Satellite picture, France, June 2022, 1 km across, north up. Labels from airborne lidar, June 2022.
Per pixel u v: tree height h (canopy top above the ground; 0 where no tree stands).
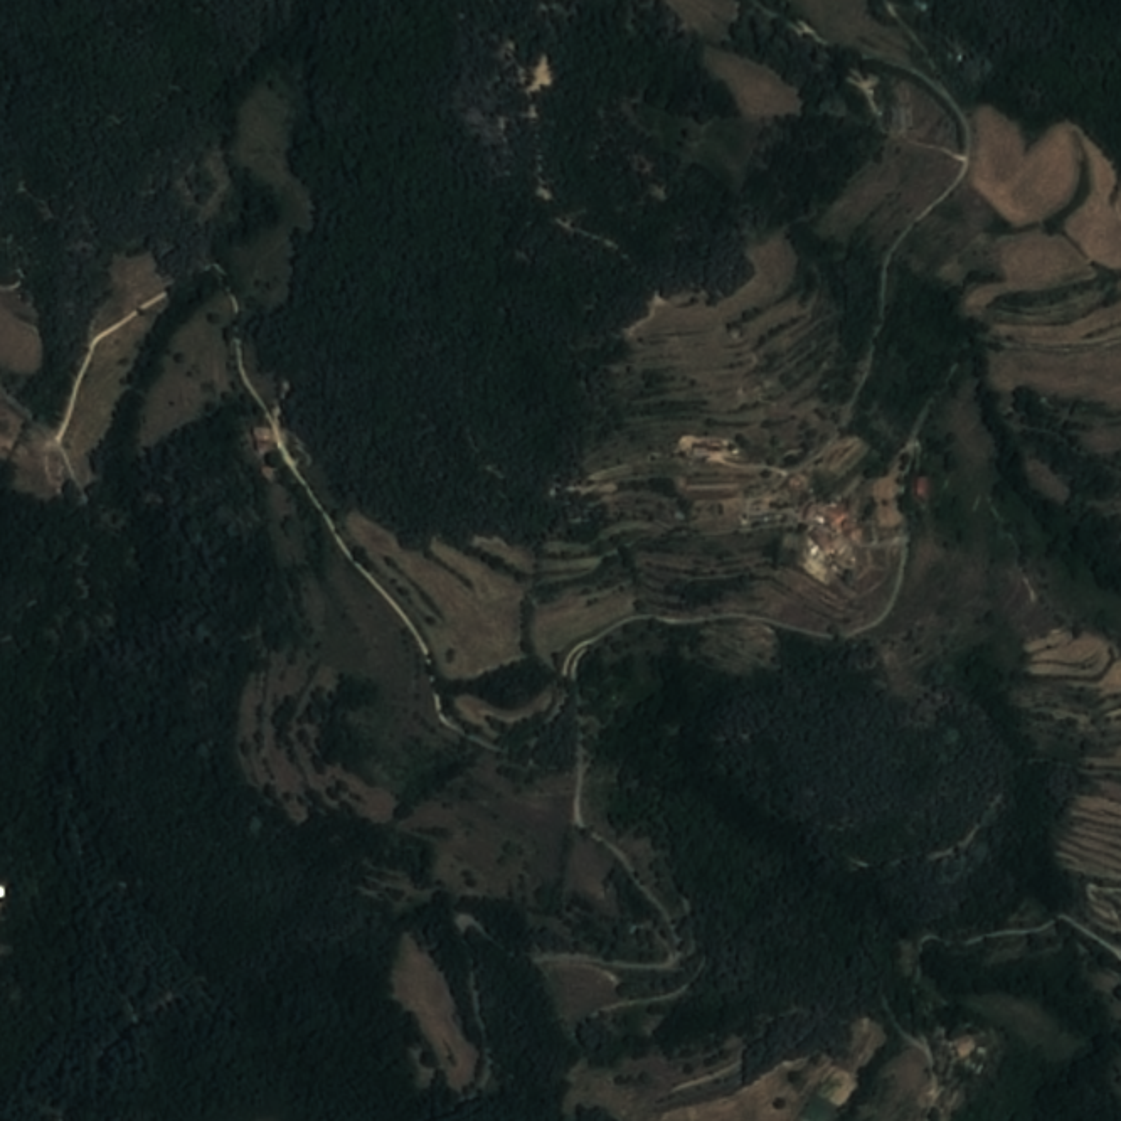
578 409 10
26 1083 18
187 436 9
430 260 11
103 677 13
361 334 13
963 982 15
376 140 19
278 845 8
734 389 0
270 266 0
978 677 12
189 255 14
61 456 0
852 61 16
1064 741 9
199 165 13
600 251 8
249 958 14
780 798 20
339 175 16
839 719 21
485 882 0
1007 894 13
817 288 10
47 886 15
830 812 13
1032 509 7
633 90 12
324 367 11
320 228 10
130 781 10
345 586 0
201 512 10
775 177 7
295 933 16
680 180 11
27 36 12
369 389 12
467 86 12
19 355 0
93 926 22
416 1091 6
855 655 15
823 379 7
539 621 0
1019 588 0
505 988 9
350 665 0
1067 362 0
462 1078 0
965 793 8
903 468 9
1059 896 15
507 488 11
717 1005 8
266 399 0
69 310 9
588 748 11
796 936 12
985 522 0
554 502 11
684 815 14
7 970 12
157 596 16
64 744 18
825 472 0
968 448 0
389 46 10
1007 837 7
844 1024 12
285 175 0
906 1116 0
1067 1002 15
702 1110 0
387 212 14
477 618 0
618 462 6
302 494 8
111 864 12
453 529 14
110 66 10
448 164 7
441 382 12
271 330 10
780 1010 13
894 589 0
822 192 9
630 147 9
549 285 13
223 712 8
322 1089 12
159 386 0
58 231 13
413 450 12
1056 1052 0
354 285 17
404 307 15
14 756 12
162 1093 9
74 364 12
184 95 18
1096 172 0
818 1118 0
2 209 6
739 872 16
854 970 27
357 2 12
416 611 0
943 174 0
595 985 0
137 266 0
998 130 0
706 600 9
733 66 0
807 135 9
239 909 16
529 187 16
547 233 10
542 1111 14
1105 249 0
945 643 9
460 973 8
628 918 9
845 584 6
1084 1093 26
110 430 7
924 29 8
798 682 8
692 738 18
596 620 0
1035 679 8
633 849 0
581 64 13
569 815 0
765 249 0
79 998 21
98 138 15
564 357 8
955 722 7
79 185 12
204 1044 22
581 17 10
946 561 0
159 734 14
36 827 12
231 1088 10
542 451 8
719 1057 11
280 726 6
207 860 9
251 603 6
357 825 10
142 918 22
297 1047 8
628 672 13
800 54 15
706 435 6
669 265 13
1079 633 9
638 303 17
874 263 7
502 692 7
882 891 16
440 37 8
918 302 8
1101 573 21
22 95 14
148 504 11
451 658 8
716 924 12
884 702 13
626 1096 0
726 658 7
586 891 0
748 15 11
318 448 13
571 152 12
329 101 13
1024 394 11
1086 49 13
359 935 8
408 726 0
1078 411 9
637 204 10
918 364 7
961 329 10
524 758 8
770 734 12
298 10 10
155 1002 19
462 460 6
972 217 0
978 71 17
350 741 8
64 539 14
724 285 16
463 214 15
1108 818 0
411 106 16
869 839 8
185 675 10
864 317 11
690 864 15
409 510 11
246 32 23
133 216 15
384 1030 17
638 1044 9
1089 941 10
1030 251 0
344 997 14
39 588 10
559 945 16
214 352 0
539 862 0
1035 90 15
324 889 16
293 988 16
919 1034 10
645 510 7
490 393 12
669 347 0
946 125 0
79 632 16
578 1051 8
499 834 0
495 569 9
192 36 15
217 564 23
